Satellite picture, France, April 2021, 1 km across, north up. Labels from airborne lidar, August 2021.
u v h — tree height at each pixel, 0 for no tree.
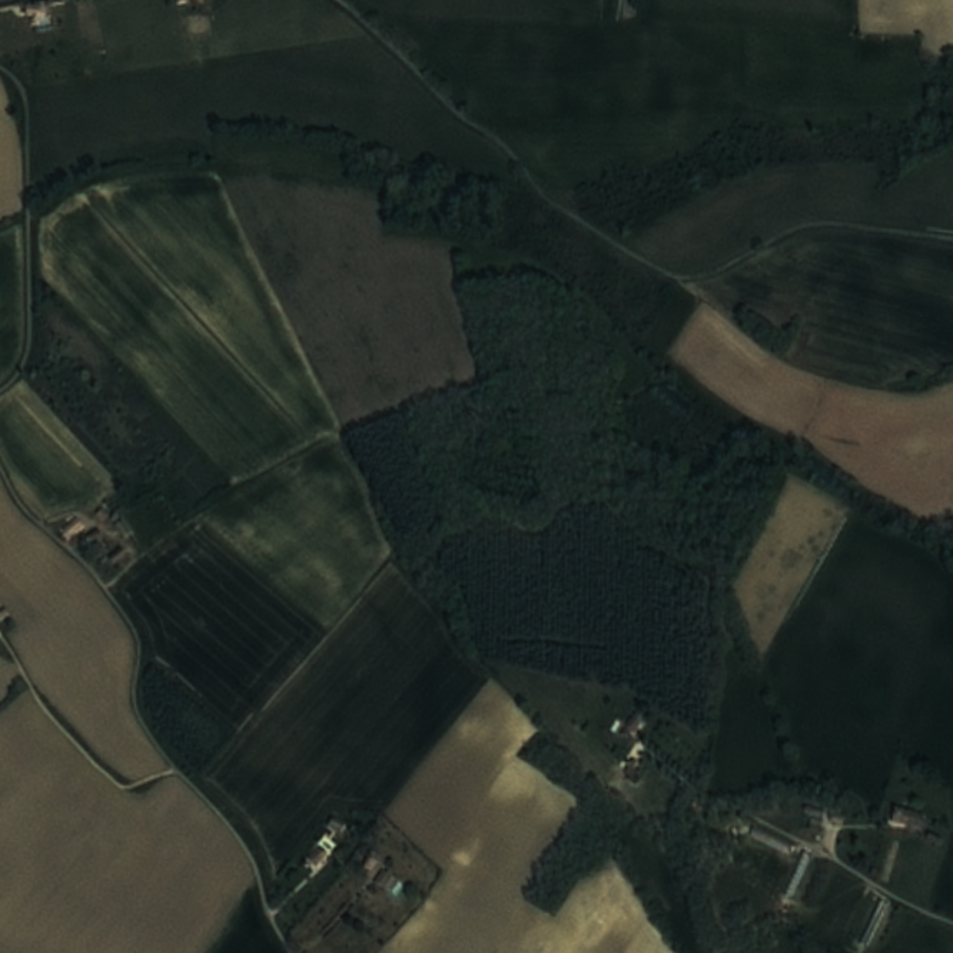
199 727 7
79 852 0
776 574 0
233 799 0
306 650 0
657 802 0
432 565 15
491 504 21
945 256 0
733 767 0
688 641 16
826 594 0
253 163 0
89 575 0
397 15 0
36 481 0
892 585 0
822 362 0
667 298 6
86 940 0
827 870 10
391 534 14
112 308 0
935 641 0
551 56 0
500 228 18
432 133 0
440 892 0
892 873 0
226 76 0
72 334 0
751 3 0
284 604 0
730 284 0
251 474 0
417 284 0
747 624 19
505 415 24
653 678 16
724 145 14
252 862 0
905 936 0
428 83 10
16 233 0
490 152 0
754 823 9
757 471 20
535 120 0
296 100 0
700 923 15
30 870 0
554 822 0
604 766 0
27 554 0
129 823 0
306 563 0
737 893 0
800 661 0
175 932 0
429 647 0
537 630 16
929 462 0
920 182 0
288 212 0
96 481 0
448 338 0
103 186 0
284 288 0
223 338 0
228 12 0
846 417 0
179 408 0
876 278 0
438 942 0
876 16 0
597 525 16
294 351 0
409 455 16
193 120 0
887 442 0
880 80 0
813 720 0
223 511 0
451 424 21
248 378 0
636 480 17
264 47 0
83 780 0
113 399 7
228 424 0
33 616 0
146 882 0
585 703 0
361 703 0
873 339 0
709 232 0
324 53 0
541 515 22
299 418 0
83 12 0
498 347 17
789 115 0
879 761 0
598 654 17
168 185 0
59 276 0
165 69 0
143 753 0
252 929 0
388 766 0
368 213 0
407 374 0
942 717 0
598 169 0
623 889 0
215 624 0
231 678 0
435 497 20
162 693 11
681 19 0
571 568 15
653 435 6
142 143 0
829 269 0
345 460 0
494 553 13
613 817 21
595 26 0
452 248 0
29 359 0
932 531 20
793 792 14
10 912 0
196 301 0
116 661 0
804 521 0
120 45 0
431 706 0
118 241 0
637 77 0
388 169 22
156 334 0
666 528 23
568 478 20
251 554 0
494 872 0
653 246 0
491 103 0
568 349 21
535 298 21
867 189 0
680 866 9
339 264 0
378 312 0
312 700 0
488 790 0
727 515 21
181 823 0
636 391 0
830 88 0
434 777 0
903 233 0
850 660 0
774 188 0
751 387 0
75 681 0
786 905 0
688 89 0
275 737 0
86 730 0
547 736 9
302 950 12
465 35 0
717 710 11
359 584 0
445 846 0
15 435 0
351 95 0
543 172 0
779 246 0
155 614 0
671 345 0
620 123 0
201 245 0
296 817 0
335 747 0
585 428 18
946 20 0
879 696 0
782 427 0
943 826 6
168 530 0
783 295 0
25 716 0
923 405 0
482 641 15
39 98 0
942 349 0
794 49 0
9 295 0
